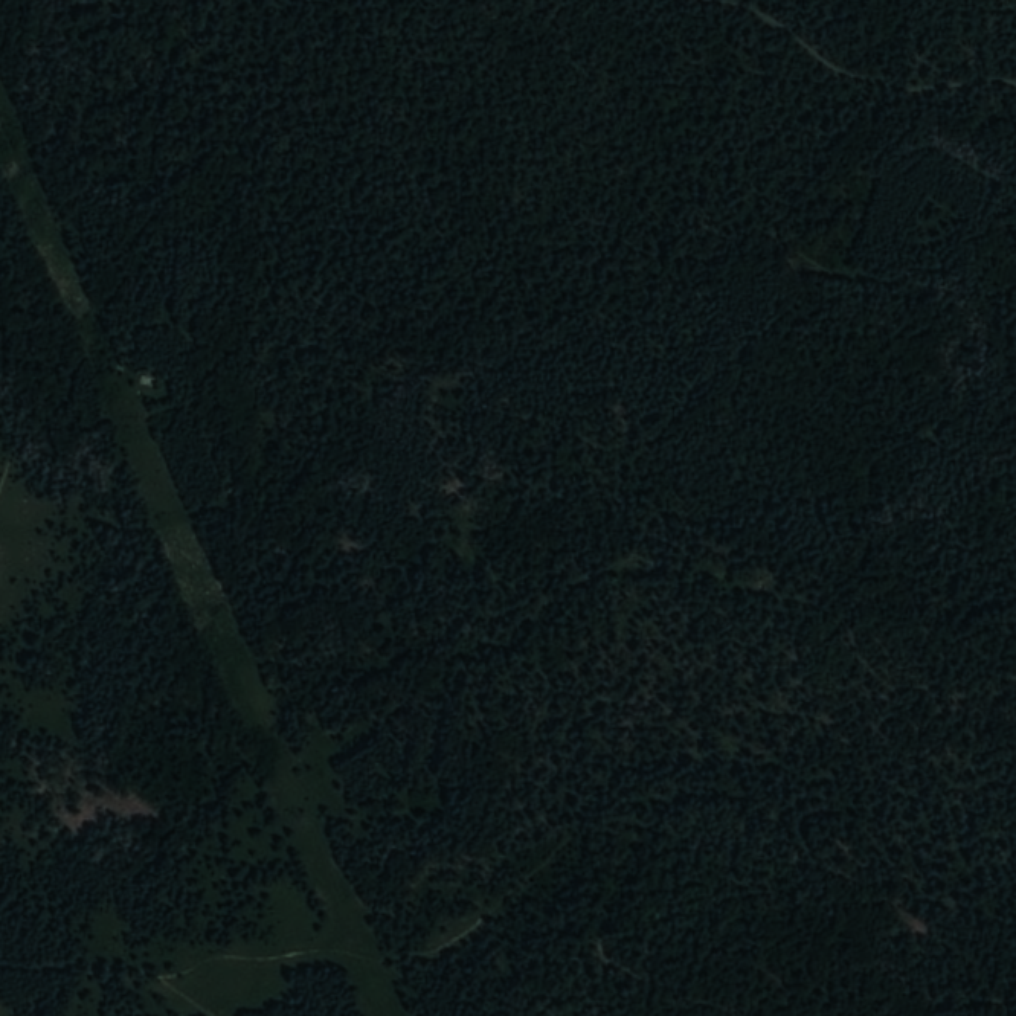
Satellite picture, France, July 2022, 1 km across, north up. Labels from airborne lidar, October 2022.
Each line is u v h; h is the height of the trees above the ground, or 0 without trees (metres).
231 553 24
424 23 24
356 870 19
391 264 16
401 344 25
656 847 22
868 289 30
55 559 10
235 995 0
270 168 7
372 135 22
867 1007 8
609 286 25
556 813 20
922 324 28
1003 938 28
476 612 26
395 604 26
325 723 18
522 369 20
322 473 14
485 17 21
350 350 18
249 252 21
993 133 24
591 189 8
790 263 23
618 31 10
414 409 23
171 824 24
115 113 27
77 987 21
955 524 25
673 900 21
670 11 28
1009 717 23
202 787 6
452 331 28
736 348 21
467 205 23
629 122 10
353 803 20
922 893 28
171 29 29
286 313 22
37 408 23
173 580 18
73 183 21
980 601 18
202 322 22
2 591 0
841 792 17
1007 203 25
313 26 25
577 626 26
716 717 18
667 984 18
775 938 18
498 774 23
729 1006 18
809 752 18
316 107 17
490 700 27
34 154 15
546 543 11
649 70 7
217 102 24
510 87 17
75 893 16
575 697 28
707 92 21
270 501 22
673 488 10
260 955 0
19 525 0
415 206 23
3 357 9
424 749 30
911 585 17
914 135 20
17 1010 17
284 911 0
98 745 28
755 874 13
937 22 7
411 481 19
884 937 14
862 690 13
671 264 22
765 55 8
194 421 13
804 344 17
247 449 30
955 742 22
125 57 18
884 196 17
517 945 28
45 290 18
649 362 16
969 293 24
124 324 17
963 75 17
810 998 7
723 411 23
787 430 19
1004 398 34
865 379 7
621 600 7
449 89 20
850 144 26
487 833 23
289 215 13
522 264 17
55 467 20
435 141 22
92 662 14
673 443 20
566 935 23
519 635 30
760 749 6
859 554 19
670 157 14
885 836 10
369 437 18
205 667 20
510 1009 22
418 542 13
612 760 16
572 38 19
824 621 17
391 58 18
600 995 26
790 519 36
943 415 21
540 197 22
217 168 20
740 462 25
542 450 7
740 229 27
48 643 7
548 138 22
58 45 15
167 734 12
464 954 6
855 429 23
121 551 29
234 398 26
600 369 21
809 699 7
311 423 24
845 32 21
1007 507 17
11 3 24
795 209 20
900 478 17
